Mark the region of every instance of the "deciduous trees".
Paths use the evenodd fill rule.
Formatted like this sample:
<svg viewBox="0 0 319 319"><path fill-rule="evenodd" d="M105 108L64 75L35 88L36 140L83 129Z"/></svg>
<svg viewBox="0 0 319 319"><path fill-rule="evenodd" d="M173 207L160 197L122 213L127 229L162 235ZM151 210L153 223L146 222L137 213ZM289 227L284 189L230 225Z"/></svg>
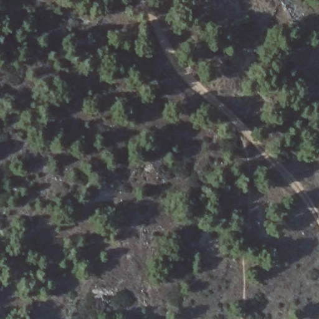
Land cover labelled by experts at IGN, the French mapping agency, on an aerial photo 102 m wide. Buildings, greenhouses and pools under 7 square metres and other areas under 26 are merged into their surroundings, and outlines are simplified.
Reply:
<svg viewBox="0 0 319 319"><path fill-rule="evenodd" d="M155 310L159 317L164 319L174 319L178 310L184 308L182 294L187 295L189 289L182 279L174 279L171 282L172 289L166 297L167 308Z"/></svg>
<svg viewBox="0 0 319 319"><path fill-rule="evenodd" d="M12 310L5 319L30 319L26 312L27 305L37 300L45 302L46 295L52 289L52 283L45 277L45 257L29 252L27 262L39 265L39 270L37 273L22 273L22 279L14 293L16 299L12 302Z"/></svg>
<svg viewBox="0 0 319 319"><path fill-rule="evenodd" d="M138 307L135 294L131 290L123 289L113 295L102 295L101 298L96 298L93 293L87 293L86 299L77 300L71 319L122 319L123 309L141 308L142 314L146 313L146 307Z"/></svg>
<svg viewBox="0 0 319 319"><path fill-rule="evenodd" d="M177 234L174 229L168 234L155 232L156 243L152 244L155 250L147 257L146 275L155 289L158 288L158 283L167 283L166 275L178 260L178 245L174 243Z"/></svg>
<svg viewBox="0 0 319 319"><path fill-rule="evenodd" d="M237 304L218 303L218 308L224 308L226 315L214 315L213 319L243 319Z"/></svg>
<svg viewBox="0 0 319 319"><path fill-rule="evenodd" d="M16 255L19 253L20 240L25 232L25 227L22 226L25 218L49 214L50 223L55 224L55 243L64 247L64 258L60 262L60 268L70 269L81 283L82 280L91 277L85 272L86 264L80 263L76 258L76 253L83 245L85 233L100 234L103 243L108 243L100 254L101 262L106 262L106 254L111 249L120 247L118 240L140 238L138 226L126 224L120 227L120 213L111 207L101 208L100 211L96 209L92 216L79 224L71 218L70 206L61 208L61 199L66 193L71 193L83 203L87 189L95 186L98 188L98 197L92 197L95 202L121 203L135 198L137 201L150 201L157 203L167 217L173 218L177 226L192 226L204 232L217 232L219 253L232 255L232 260L240 262L245 259L248 267L247 283L253 285L257 280L255 274L262 269L270 268L270 257L267 250L262 250L258 255L253 255L252 249L248 249L247 252L240 250L243 233L239 228L243 226L243 218L238 216L236 209L231 221L223 219L217 211L216 193L223 181L222 169L228 166L237 179L237 186L242 188L244 193L255 192L258 189L263 194L262 197L255 199L254 207L260 213L265 213L263 226L268 236L319 239L319 224L318 221L314 221L303 231L287 229L287 224L282 219L289 212L295 191L292 184L288 187L279 187L282 179L274 167L278 162L295 157L298 161L318 162L319 157L319 105L314 102L309 106L305 105L302 101L304 81L297 72L284 66L287 62L285 56L289 52L287 45L297 37L298 22L294 21L292 25L288 25L278 21L272 29L268 29L263 44L258 46L259 64L249 67L243 80L240 77L232 77L237 90L242 90L244 96L262 97L262 122L252 131L248 131L242 121L234 121L229 113L219 110L219 103L216 101L218 92L208 91L202 93L207 98L207 105L201 105L192 115L183 115L176 110L177 103L184 100L183 93L164 95L168 102L164 105L162 116L145 123L127 120L120 98L116 98L110 110L105 112L97 110L95 102L83 100L82 110L74 113L74 118L81 118L85 128L90 126L91 120L101 120L97 125L96 141L93 142L97 151L90 155L80 151L77 141L70 147L61 147L62 133L57 133L52 142L44 140L42 131L47 123L47 107L57 107L61 102L69 102L69 93L62 90L60 71L72 74L76 70L80 75L91 72L92 75L100 76L101 81L113 83L117 91L137 92L142 102L153 100L155 95L152 95L151 90L158 81L148 81L143 85L138 79L137 71L116 66L115 60L117 47L130 52L136 51L138 56L152 57L150 46L146 42L146 22L150 20L166 20L172 27L173 34L177 35L181 45L176 50L169 49L167 52L177 57L178 65L186 69L186 75L198 75L198 82L203 86L211 82L208 79L209 69L206 62L193 62L191 56L188 56L189 44L203 40L212 51L217 51L219 45L226 50L227 55L232 56L233 51L237 51L243 45L243 39L222 17L204 14L202 5L209 0L36 0L31 6L22 5L22 9L27 12L35 12L42 2L45 2L47 10L54 11L57 15L61 15L62 7L74 9L67 21L67 30L72 30L72 27L81 25L82 22L82 30L86 30L90 25L105 24L122 24L122 29L108 31L105 46L100 47L95 54L88 55L83 62L75 56L75 49L71 44L74 36L67 35L62 39L59 51L52 51L45 60L30 65L25 57L25 37L30 31L30 25L24 21L16 31L19 57L12 62L0 61L0 82L14 88L26 79L29 86L27 88L32 91L31 105L25 111L11 106L11 102L14 101L11 95L5 93L0 98L0 141L4 142L12 137L29 146L32 153L40 153L47 162L55 159L55 171L60 177L64 176L65 167L69 164L79 162L80 167L74 169L74 186L62 182L56 196L52 194L50 199L46 199L40 192L35 201L19 207L15 206L14 202L17 198L25 196L25 188L11 187L10 179L22 176L22 163L17 161L15 166L11 166L9 157L0 161L0 237L10 239L5 250L10 255ZM153 133L156 133L157 128L179 121L191 122L194 130L198 128L197 138L202 143L198 155L184 157L178 162L172 159L176 156L178 148L172 147L161 159L156 159L152 163L146 162L141 155L143 151L150 150ZM91 158L101 158L108 169L115 169L112 153L107 151L101 142L103 132L111 131L117 126L141 132L140 135L130 138L130 141L122 142L122 147L128 150L130 177L123 179L120 187L111 183L101 186L97 173L92 172Z"/></svg>

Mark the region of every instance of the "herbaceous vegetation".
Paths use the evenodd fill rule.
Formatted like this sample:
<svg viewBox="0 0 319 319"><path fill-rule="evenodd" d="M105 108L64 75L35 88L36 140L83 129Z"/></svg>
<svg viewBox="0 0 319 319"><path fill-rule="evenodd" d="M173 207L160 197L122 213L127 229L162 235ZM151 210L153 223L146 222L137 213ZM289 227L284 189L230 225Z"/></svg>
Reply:
<svg viewBox="0 0 319 319"><path fill-rule="evenodd" d="M161 159L172 147L178 148L176 156L172 159L178 162L184 157L198 155L202 143L197 138L198 128L194 130L191 122L179 121L157 128L156 133L153 133L150 150L143 151L141 155L146 162L152 163L156 159Z"/></svg>
<svg viewBox="0 0 319 319"><path fill-rule="evenodd" d="M303 231L314 221L318 221L319 224L319 157L318 162L298 161L295 157L278 162L274 167L282 179L279 187L288 187L292 184L295 191L289 212L282 219L287 224L287 229Z"/></svg>
<svg viewBox="0 0 319 319"><path fill-rule="evenodd" d="M164 319L159 317L155 310L167 308L166 297L172 289L171 282L174 279L182 279L189 289L187 295L182 294L184 308L178 310L174 319L213 319L214 315L226 315L224 308L218 308L218 303L237 304L243 319L319 319L319 239L268 236L263 226L265 213L260 213L254 207L255 199L262 197L263 194L258 189L255 192L244 193L242 188L237 186L237 179L228 166L222 169L223 181L216 193L217 211L223 219L231 221L236 209L238 216L243 218L243 226L239 228L243 233L240 250L247 252L248 249L252 249L253 255L258 255L262 250L267 250L270 257L270 268L262 269L255 274L257 280L253 285L247 283L248 267L245 259L240 262L232 260L232 255L219 253L217 232L204 232L192 226L177 226L173 218L167 217L157 203L150 201L137 201L135 198L121 203L95 202L92 197L98 197L98 188L95 186L87 189L83 203L71 193L66 193L61 199L61 208L70 206L71 218L79 224L92 216L96 209L100 211L101 208L111 207L120 213L120 227L126 224L138 226L140 238L118 240L120 247L111 249L106 254L106 262L101 262L100 254L108 243L103 243L100 234L85 233L83 245L76 253L76 258L80 263L86 264L85 272L91 277L82 280L81 283L70 269L60 268L60 262L64 258L64 247L55 243L55 224L50 223L49 214L25 218L22 226L25 227L25 232L20 240L19 253L16 255L10 255L5 250L10 239L0 237L0 319L5 319L12 310L12 302L16 299L14 293L22 279L22 273L37 273L39 270L39 265L27 262L29 252L45 257L45 277L52 283L52 289L46 295L45 302L37 300L27 305L26 312L30 319L71 319L77 300L86 299L87 293L93 293L96 298L101 298L102 295L113 295L123 289L131 290L135 294L138 307L146 307L146 313L142 314L141 308L123 309L122 319ZM174 229L177 234L174 243L178 245L178 260L166 275L167 283L158 283L158 288L155 289L146 275L147 257L155 250L152 244L156 243L155 232L168 234Z"/></svg>
<svg viewBox="0 0 319 319"><path fill-rule="evenodd" d="M91 158L92 172L97 173L101 186L111 183L120 187L123 179L130 177L128 150L122 147L122 142L130 141L130 138L140 135L141 132L117 126L111 131L103 132L101 142L107 151L112 153L115 169L108 169L101 158Z"/></svg>
<svg viewBox="0 0 319 319"><path fill-rule="evenodd" d="M61 15L57 15L54 11L47 10L45 2L42 2L35 12L27 12L22 9L22 5L31 6L36 0L0 0L0 61L12 62L19 57L16 31L24 21L30 25L30 31L25 37L25 57L30 65L45 60L52 51L59 51L62 39L67 35L74 36L71 44L75 49L75 56L83 62L88 55L95 54L100 47L105 46L108 31L122 29L122 24L105 24L90 25L86 30L82 30L82 22L81 25L72 27L72 30L67 30L67 21L74 9L62 7Z"/></svg>
<svg viewBox="0 0 319 319"><path fill-rule="evenodd" d="M40 192L46 199L50 199L52 194L56 196L62 182L74 186L74 169L80 167L79 162L69 164L65 167L64 176L60 177L55 171L55 159L47 162L40 153L32 153L29 146L12 137L4 142L0 141L0 161L9 157L11 166L15 166L17 161L22 163L22 176L10 179L11 187L25 188L25 196L17 198L14 202L15 206L19 207L35 201Z"/></svg>
<svg viewBox="0 0 319 319"><path fill-rule="evenodd" d="M11 95L14 101L11 102L11 106L25 111L31 105L32 91L27 88L29 86L26 79L14 88L0 82L0 98L5 93Z"/></svg>
<svg viewBox="0 0 319 319"><path fill-rule="evenodd" d="M262 97L244 96L242 90L237 90L232 77L240 77L243 80L249 67L259 64L258 46L263 44L268 29L272 29L278 21L288 25L292 25L294 21L298 22L297 37L287 45L289 52L285 56L287 62L284 66L297 72L304 81L302 101L305 105L309 106L314 102L319 105L319 0L209 0L202 5L204 14L222 17L243 39L243 45L237 51L233 51L232 56L227 55L226 50L219 45L217 51L212 51L203 40L189 44L188 56L191 56L193 62L206 62L209 69L208 79L211 82L203 86L198 82L198 75L186 75L186 69L178 65L177 57L167 52L169 49L176 50L181 45L177 35L173 34L172 27L166 20L150 20L146 22L146 42L150 46L152 57L138 56L136 51L130 52L117 47L115 60L116 66L137 71L138 79L143 85L148 81L158 81L151 90L152 95L155 95L153 100L142 102L137 92L117 91L113 83L101 81L100 76L92 75L91 72L80 75L76 70L72 74L60 71L62 90L69 93L69 102L61 102L57 107L47 107L47 123L42 131L44 140L52 142L57 133L62 133L61 147L70 147L77 141L80 151L90 155L97 151L93 142L96 141L97 125L101 120L91 120L90 126L85 128L81 118L74 118L74 113L82 110L83 100L95 102L97 110L105 112L110 110L116 98L120 98L127 120L145 123L162 116L164 105L168 102L164 95L183 93L184 100L177 103L176 110L183 115L192 115L201 105L207 105L207 98L202 93L208 91L218 92L216 101L219 103L219 110L229 113L234 121L242 121L248 131L252 131L262 122Z"/></svg>

